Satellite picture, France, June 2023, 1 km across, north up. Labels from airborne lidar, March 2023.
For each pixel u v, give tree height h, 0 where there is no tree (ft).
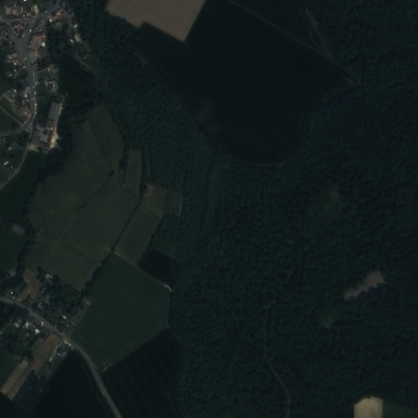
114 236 0
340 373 55
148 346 0
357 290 0
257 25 0
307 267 88
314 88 0
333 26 76
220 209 51
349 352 75
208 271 58
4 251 0
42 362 0
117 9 0
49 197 0
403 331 76
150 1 0
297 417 50
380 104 93
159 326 0
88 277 0
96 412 0
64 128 68
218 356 64
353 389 72
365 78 57
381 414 0
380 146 86
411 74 85
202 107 0
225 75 0
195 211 18
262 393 95
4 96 0
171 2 0
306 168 64
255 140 0
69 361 0
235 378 64
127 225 0
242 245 62
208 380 59
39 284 0
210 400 62
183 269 71
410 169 71
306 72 0
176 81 0
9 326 0
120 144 0
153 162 49
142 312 0
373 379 48
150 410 0
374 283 0
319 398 64
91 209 0
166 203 0
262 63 0
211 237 62
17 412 0
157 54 0
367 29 85
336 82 0
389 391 76
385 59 80
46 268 0
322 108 59
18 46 0
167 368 0
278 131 0
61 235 0
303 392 33
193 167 22
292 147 0
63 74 0
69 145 85
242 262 67
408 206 75
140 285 0
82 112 31
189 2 0
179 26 0
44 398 0
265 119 0
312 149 85
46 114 21
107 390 0
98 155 0
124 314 0
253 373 81
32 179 0
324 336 83
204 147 0
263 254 68
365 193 59
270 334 66
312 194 79
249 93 0
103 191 0
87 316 0
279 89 0
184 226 36
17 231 0
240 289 39
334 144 86
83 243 0
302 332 88
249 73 0
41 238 0
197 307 79
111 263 0
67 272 0
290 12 0
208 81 0
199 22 0
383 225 74
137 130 21
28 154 0
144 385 0
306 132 26
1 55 0
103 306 0
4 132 0
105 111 0
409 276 81
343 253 86
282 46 0
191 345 43
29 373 0
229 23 0
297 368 37
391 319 62
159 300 0
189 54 0
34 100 0
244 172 48
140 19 0
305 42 0
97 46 58
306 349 55
